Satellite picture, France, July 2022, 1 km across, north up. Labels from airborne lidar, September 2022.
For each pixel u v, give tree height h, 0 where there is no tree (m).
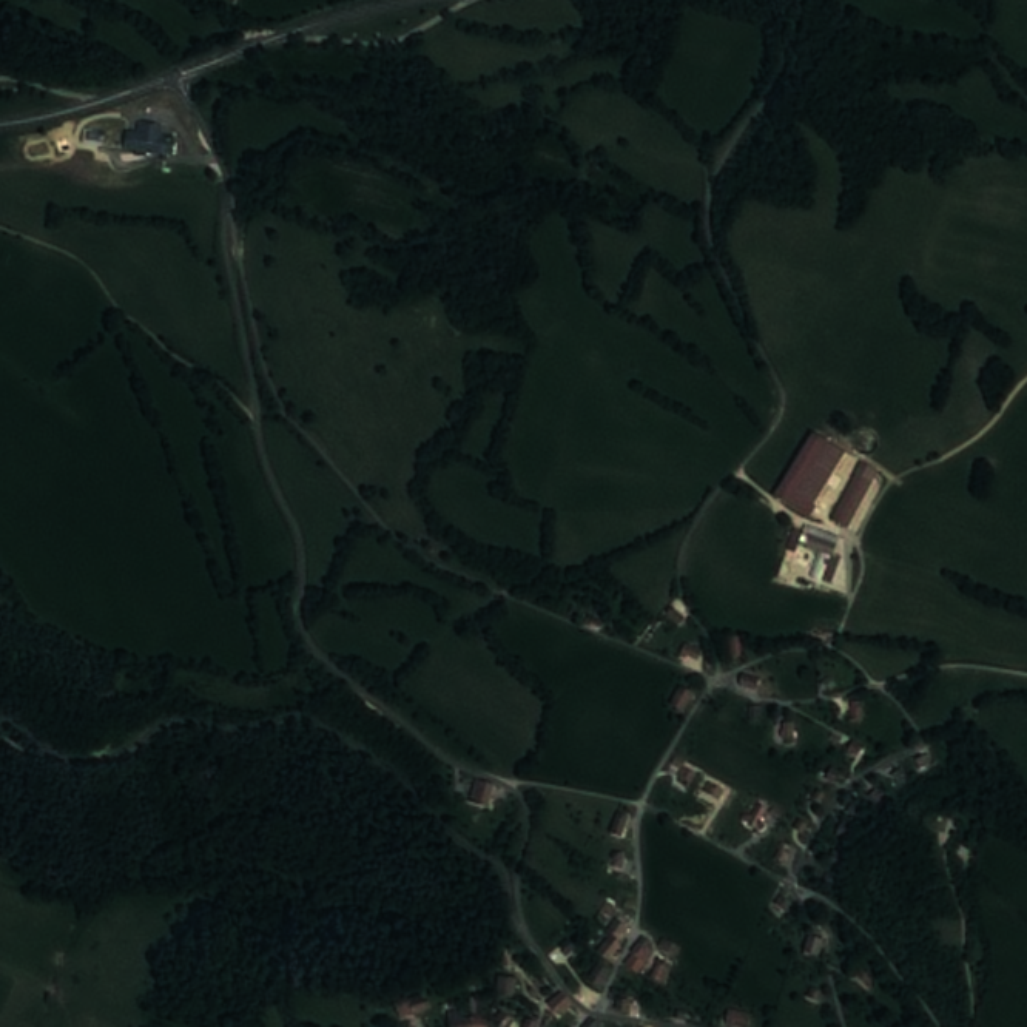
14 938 0
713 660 12
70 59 22
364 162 29
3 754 23
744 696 0
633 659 0
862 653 0
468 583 12
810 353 0
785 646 14
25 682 18
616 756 0
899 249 0
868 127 12
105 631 0
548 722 14
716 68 0
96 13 22
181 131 0
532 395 0
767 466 0
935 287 0
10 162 0
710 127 0
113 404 0
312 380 0
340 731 17
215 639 0
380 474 0
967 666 0
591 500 0
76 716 8
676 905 0
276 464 0
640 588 0
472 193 9
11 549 0
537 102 23
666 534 13
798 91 20
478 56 0
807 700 0
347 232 21
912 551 0
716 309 0
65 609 0
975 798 7
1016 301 0
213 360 0
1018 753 0
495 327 16
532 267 19
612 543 0
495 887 23
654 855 0
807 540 0
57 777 27
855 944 18
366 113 19
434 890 32
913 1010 18
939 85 19
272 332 12
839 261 0
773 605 0
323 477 0
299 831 24
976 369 0
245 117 0
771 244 0
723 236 16
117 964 0
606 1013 0
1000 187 0
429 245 16
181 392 0
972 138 19
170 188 0
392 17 0
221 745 32
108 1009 0
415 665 15
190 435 0
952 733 16
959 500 0
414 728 0
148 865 19
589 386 0
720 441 0
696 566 0
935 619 0
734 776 0
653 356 0
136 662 16
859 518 0
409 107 26
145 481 0
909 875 14
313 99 21
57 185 0
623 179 24
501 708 0
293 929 31
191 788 15
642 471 0
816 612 0
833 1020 21
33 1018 0
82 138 0
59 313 0
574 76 0
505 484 16
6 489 0
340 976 28
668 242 0
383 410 0
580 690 0
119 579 0
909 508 0
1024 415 0
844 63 9
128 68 13
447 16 16
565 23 0
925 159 12
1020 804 9
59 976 0
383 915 8
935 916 10
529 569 14
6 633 21
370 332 0
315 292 0
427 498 12
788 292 0
